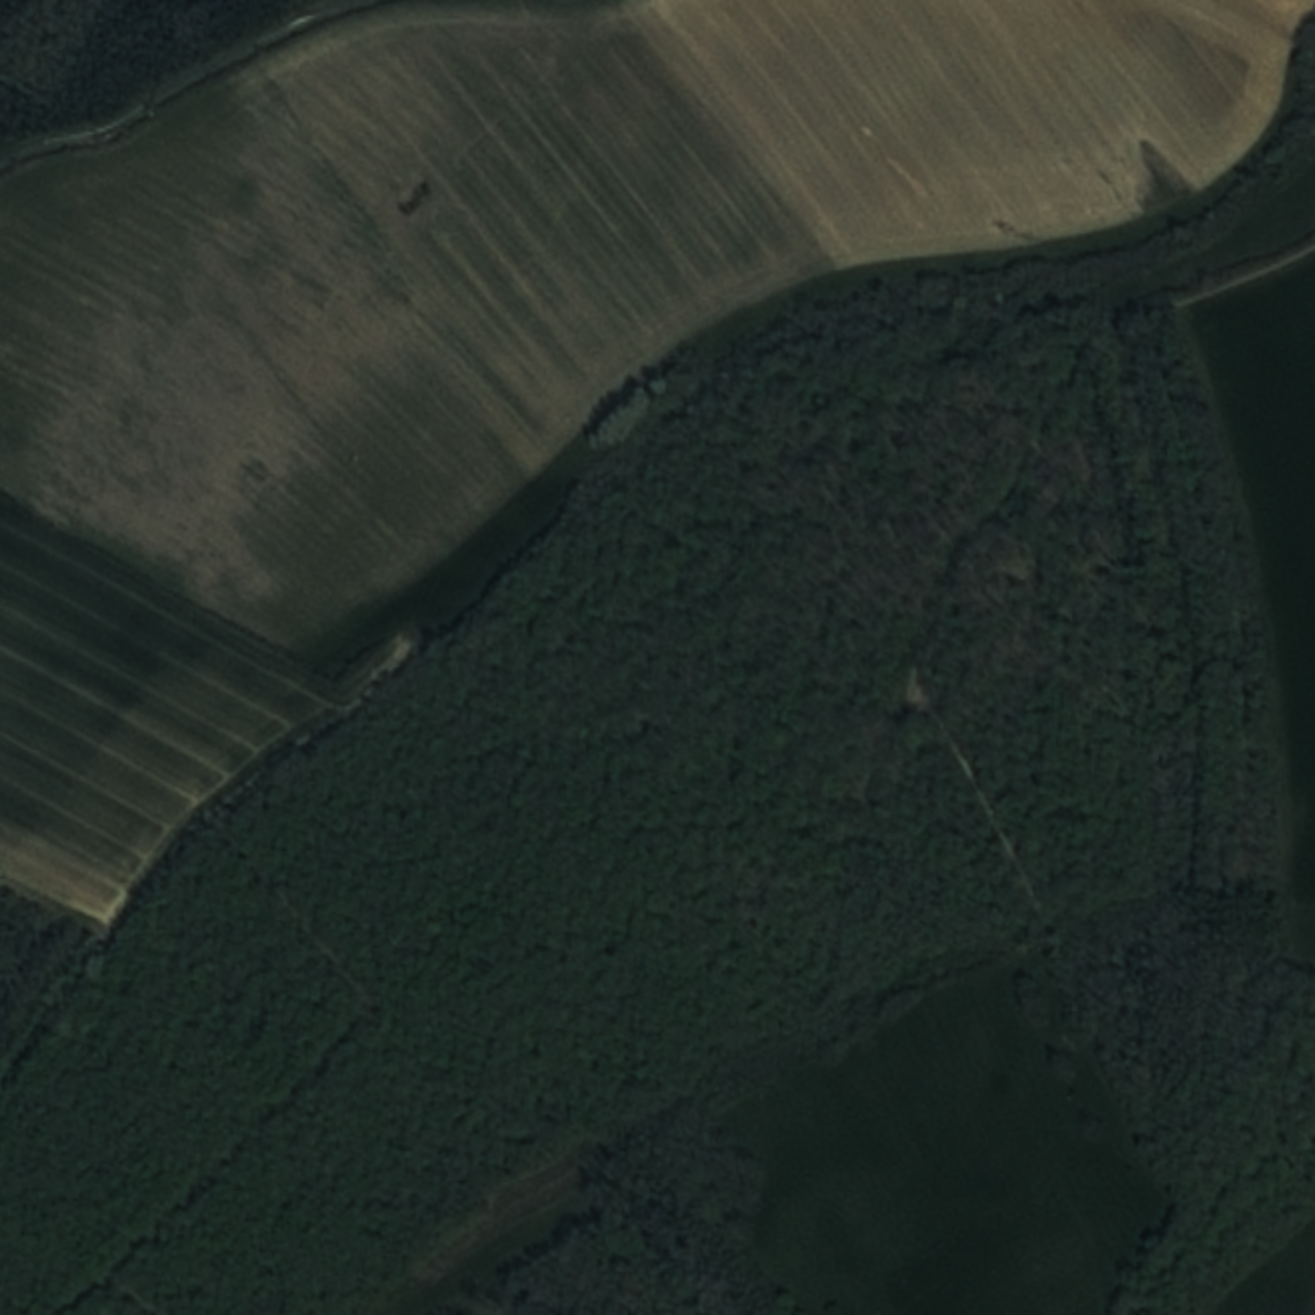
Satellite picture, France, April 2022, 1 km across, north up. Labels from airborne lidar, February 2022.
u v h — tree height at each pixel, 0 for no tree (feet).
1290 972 75
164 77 63
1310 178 0
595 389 0
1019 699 80
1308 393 0
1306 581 0
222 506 0
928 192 0
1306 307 0
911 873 76
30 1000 79
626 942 65
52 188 0
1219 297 0
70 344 0
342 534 0
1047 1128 0
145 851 0
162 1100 56
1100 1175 0
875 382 88
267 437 0
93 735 0
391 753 67
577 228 0
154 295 0
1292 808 0
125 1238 63
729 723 79
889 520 69
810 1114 0
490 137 0
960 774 74
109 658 0
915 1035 0
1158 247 34
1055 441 74
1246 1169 81
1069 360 80
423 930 66
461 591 0
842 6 0
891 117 0
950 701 71
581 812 58
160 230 0
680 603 72
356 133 0
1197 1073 79
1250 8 0
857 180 0
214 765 0
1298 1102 90
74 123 60
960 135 0
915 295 25
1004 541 95
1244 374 0
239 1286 60
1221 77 0
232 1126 63
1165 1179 62
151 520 0
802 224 0
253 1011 59
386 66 0
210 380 0
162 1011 60
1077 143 0
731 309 0
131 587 0
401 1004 61
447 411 0
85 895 0
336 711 0
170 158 0
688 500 73
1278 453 0
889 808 72
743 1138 0
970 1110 0
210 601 0
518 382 0
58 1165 72
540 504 0
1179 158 0
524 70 0
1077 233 0
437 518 0
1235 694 85
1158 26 0
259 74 0
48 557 0
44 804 0
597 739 65
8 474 0
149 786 0
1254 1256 72
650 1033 64
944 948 66
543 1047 68
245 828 75
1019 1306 0
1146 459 81
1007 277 26
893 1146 0
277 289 0
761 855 87
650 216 0
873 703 57
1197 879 24
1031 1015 75
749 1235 73
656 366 0
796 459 60
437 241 0
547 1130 69
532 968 57
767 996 71
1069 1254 0
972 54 0
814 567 94
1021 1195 0
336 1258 85
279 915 65
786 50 0
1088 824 54
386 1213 72
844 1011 66
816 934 75
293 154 0
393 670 0
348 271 0
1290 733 0
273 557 0
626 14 0
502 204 0
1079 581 98
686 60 0
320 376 0
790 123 0
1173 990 70
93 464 0
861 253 0
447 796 68
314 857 71
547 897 60
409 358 0
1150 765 79
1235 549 72
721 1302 72
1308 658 0
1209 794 47
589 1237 71
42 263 0
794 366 83
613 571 82
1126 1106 24
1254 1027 79
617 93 0
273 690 0
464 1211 76
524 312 0
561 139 0
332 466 0
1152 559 74
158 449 0
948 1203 0
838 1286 0
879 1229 0
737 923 69
